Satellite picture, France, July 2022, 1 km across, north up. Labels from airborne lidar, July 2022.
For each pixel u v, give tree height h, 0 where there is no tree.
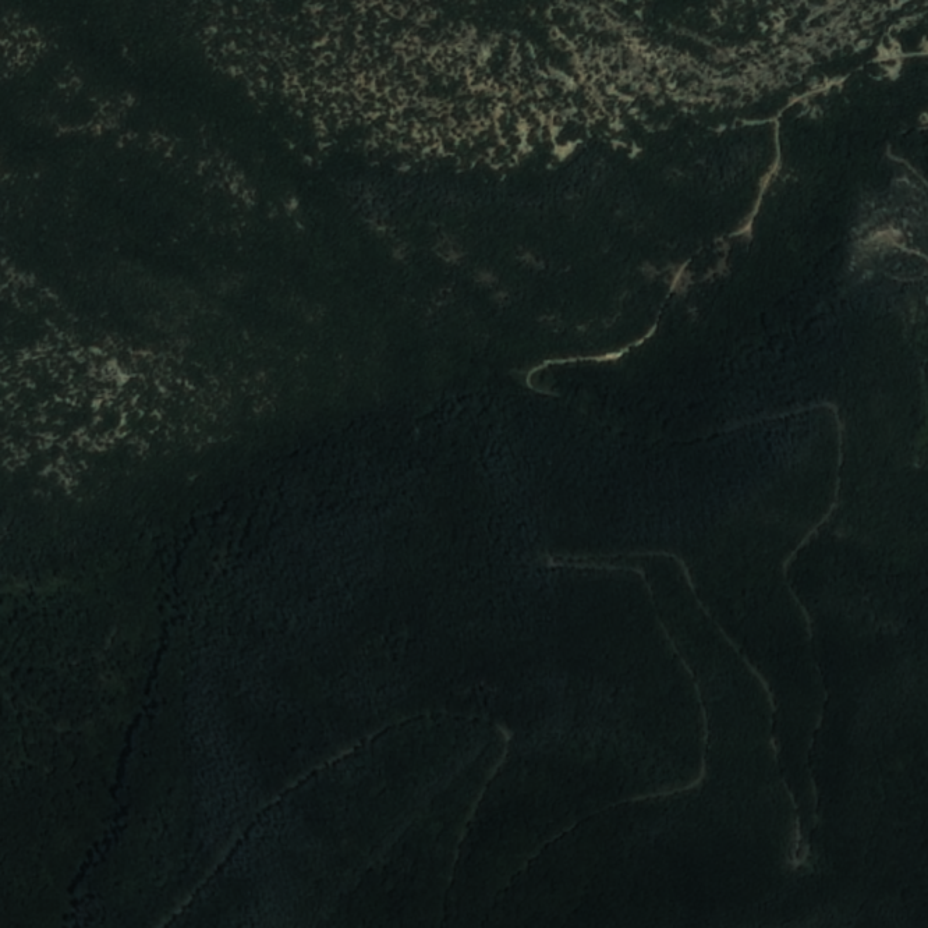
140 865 11
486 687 19
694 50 6
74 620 10
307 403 10
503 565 17
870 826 15
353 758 12
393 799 16
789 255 20
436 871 20
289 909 14
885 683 9
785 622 12
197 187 6
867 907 11
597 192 9
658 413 15
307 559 17
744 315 25
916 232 7
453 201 8
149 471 8
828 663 18
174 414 6
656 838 8
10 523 14
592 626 12
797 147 11
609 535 12
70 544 17
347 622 16
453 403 22
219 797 16
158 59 6
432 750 14
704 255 6
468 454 22
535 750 13
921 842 7
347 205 6
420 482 18
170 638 28
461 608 19
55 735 21
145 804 23
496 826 18
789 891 10
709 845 11
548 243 7
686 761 11
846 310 14
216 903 8
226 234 5
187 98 6
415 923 24
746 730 11
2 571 22
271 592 17
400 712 11
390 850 11
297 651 15
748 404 11
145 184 6
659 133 7
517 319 9
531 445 19
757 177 7
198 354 6
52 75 6
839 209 12
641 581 12
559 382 9
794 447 13
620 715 6
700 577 9
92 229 6
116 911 18
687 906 19
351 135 7
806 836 7
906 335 10
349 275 12
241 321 6
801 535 9
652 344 12
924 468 7
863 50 10
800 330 11
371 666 18
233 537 22
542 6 6
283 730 15
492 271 6
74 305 6
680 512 14
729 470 11
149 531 17
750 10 6
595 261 9
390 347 8
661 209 10
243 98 6
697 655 11
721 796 10
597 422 10
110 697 10
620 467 16
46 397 6
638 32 6
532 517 14
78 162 7
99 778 7
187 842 10
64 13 6
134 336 6
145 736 34
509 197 14
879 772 10
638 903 17
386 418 25
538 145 6
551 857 9
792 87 6
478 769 10
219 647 18
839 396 8
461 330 8
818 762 12
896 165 6
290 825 13
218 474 14
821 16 6
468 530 21
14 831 14
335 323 7
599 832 7
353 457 13
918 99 9
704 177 8
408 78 7
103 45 7
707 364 22
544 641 10
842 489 6
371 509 14
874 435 6
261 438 10
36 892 14
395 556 15
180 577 27
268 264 7
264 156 9
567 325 7
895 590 15
